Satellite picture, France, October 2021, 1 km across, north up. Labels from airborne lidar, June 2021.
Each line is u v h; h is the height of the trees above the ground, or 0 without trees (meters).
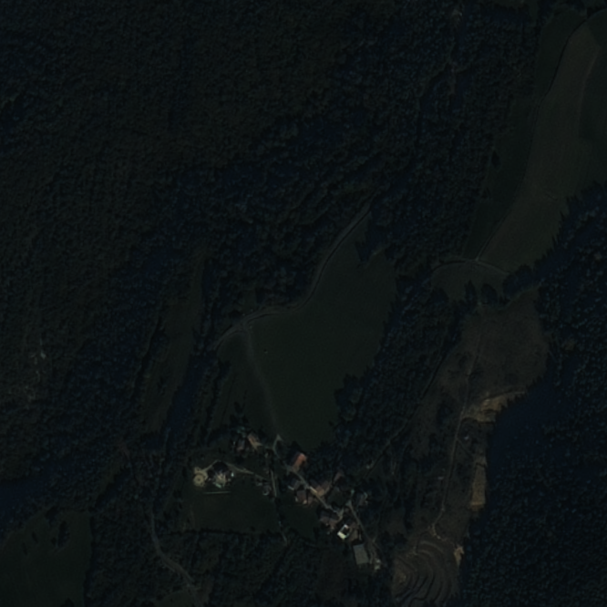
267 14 15
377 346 0
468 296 10
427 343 10
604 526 25
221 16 15
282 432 0
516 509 25
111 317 13
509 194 0
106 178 9
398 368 11
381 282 0
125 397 18
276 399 0
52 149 16
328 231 11
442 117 16
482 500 0
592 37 0
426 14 16
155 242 18
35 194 7
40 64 21
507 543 17
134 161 7
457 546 0
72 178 11
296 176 21
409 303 16
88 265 9
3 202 13
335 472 7
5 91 18
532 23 20
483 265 0
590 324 15
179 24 15
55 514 14
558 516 26
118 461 14
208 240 19
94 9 11
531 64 21
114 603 15
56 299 19
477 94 18
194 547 10
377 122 22
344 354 0
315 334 0
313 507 0
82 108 13
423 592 0
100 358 17
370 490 9
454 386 0
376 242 17
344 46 20
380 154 18
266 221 20
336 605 0
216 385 14
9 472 17
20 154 15
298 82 14
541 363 0
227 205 29
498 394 0
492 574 18
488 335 0
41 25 15
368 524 14
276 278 31
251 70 13
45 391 15
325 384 0
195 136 12
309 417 0
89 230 7
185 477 11
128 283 14
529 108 0
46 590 0
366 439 9
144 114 17
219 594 9
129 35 14
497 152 0
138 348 15
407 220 16
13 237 8
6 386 8
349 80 27
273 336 0
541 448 23
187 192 17
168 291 19
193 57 17
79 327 17
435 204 15
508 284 0
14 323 8
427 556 0
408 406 11
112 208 6
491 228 0
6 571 0
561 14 0
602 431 18
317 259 6
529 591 19
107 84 23
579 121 0
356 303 0
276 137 27
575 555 25
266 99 17
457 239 15
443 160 18
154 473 18
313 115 21
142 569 16
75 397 15
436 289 0
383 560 13
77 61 16
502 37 16
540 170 0
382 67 14
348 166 19
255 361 0
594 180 0
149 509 11
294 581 14
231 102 11
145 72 16
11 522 18
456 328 9
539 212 0
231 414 0
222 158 20
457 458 0
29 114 22
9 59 19
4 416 11
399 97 15
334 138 25
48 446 26
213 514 0
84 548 0
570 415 30
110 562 16
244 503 0
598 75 0
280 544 9
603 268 15
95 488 16
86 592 10
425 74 15
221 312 7
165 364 0
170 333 0
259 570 12
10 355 9
